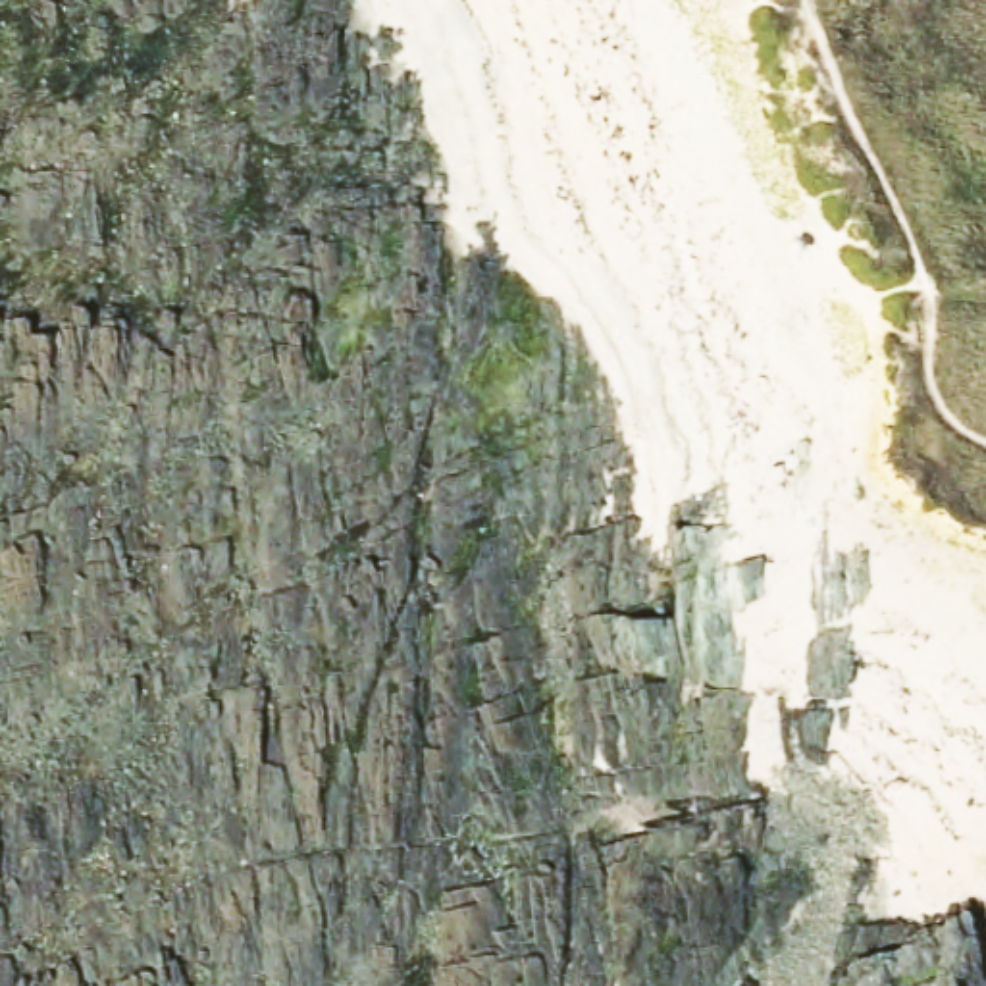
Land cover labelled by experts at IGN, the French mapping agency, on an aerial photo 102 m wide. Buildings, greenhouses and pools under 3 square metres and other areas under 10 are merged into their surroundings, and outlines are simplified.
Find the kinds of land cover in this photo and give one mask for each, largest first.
<instances>
[{"label":"bare soil","instance_id":"1","mask_svg":"<svg viewBox=\"0 0 986 986\"><path fill-rule=\"evenodd\" d=\"M751 0H0V986H986V447L963 439L936 412L928 393L901 401L897 385L886 381V316L878 289L863 285L870 277L863 270L867 258H878V243L867 235L863 223L870 193L855 166L851 173H828L809 158L793 169V150L774 139L766 123L770 81L759 77V54L751 35ZM817 15L828 31L832 54L840 58L851 104L909 212V223L924 254V270L940 293V389L967 424L986 431V0H817Z\"/></svg>","mask_w":986,"mask_h":986},{"label":"pervious surface","instance_id":"2","mask_svg":"<svg viewBox=\"0 0 986 986\"><path fill-rule=\"evenodd\" d=\"M751 35L759 54V77L770 81L766 123L774 139L793 150V169L809 158L828 173H851L855 166L870 193L863 223L867 235L878 243V258H867L863 270L870 277L863 285L878 289L886 316V381L897 385L901 401L928 393L936 412L963 439L986 447V431L967 424L940 389V293L924 270V254L909 223V212L851 104L840 58L832 54L828 31L817 15V0H751Z\"/></svg>","mask_w":986,"mask_h":986}]
</instances>
